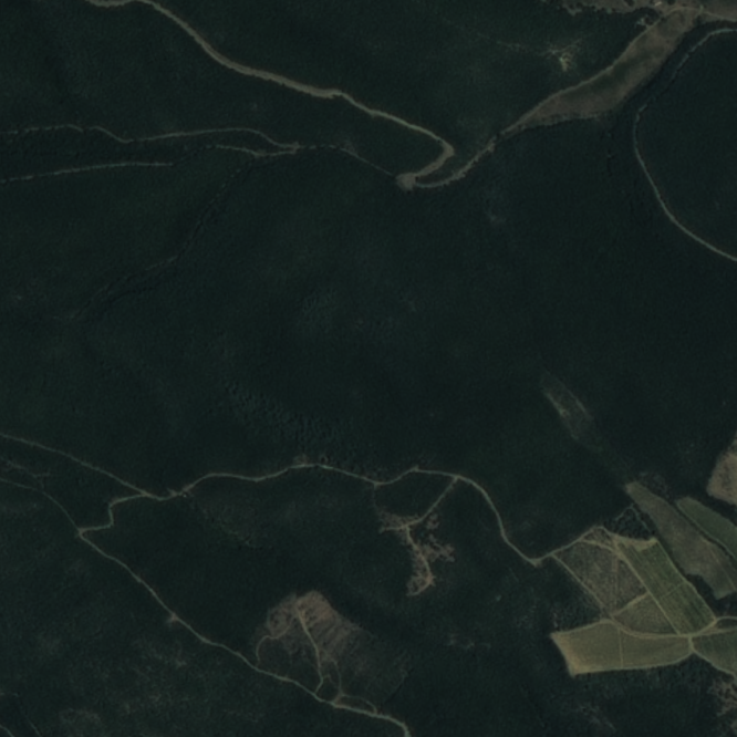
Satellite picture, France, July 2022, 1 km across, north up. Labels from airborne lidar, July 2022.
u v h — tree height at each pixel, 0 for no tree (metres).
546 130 7
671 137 7
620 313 9
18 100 9
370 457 7
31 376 7
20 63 11
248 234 6
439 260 5
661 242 6
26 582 7
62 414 5
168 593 5
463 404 7
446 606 6
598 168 15
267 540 8
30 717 6
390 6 6
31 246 8
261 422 9
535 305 5
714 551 0
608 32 6
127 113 6
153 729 6
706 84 6
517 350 7
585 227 11
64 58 7
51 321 9
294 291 9
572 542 0
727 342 7
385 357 6
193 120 6
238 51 7
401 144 6
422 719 9
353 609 14
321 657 0
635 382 6
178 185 6
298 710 7
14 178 7
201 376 6
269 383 10
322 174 7
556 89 8
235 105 6
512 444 6
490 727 7
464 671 7
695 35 7
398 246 6
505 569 6
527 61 5
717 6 0
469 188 7
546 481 6
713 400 7
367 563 7
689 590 0
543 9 7
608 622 0
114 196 6
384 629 9
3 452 6
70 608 7
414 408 6
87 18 6
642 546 0
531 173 6
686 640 0
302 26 11
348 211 7
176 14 6
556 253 7
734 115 7
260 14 12
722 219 6
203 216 11
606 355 6
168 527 9
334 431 13
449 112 5
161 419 6
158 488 7
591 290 9
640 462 6
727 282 9
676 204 6
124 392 7
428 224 6
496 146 7
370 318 6
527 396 7
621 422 7
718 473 0
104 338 6
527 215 7
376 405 8
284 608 0
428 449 6
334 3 6
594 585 0
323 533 8
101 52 8
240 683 6
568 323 6
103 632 6
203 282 7
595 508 7
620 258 12
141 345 7
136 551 7
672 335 8
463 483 5
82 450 7
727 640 0
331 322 6
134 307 8
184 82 7
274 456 6
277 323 11
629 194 9
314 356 6
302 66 7
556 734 6
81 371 8
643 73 0
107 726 7
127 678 7
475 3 7
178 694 6
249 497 6
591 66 6
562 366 6
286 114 7
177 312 8
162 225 11
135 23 11
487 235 9
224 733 7
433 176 7
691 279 9
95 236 8
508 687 8
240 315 6
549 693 6
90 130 11
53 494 6
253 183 8
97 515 7
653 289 9
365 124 6
